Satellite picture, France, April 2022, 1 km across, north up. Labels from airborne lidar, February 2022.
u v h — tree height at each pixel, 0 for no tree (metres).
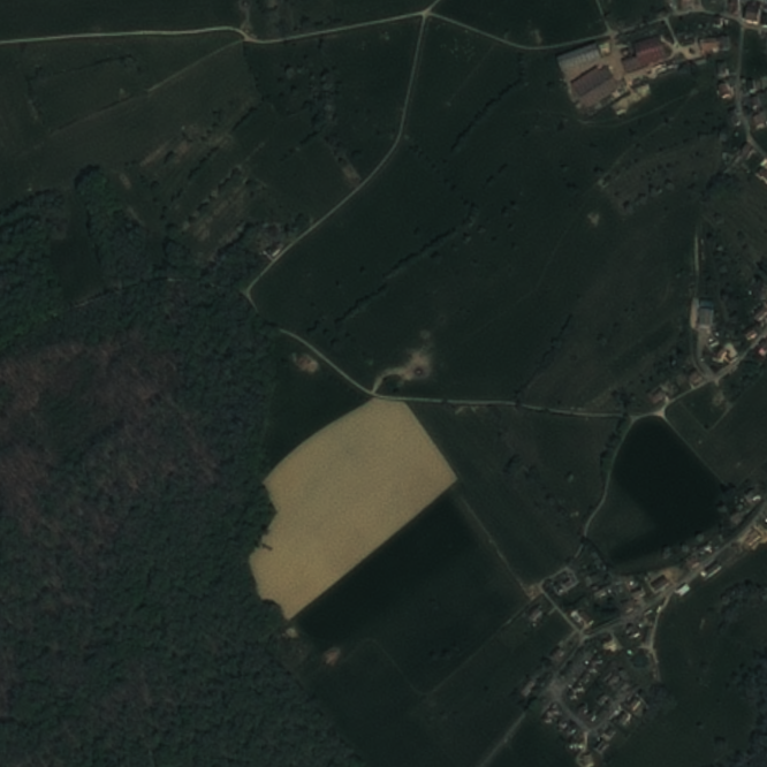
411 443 0
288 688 27
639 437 0
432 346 0
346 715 0
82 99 0
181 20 0
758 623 0
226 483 26
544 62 0
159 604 26
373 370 0
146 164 0
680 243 0
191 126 0
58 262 0
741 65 0
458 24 0
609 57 0
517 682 0
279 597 0
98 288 0
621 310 0
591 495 0
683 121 0
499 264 0
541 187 0
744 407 0
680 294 0
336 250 0
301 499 0
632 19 0
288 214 0
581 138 0
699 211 0
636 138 15
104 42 0
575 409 0
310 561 0
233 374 24
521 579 0
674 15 0
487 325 0
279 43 0
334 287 0
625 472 0
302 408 0
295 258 0
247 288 15
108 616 28
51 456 0
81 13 0
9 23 0
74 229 0
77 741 27
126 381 0
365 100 0
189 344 23
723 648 0
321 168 0
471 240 9
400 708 0
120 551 26
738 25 0
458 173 0
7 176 0
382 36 0
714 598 0
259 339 26
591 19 0
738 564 0
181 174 0
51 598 23
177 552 24
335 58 0
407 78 0
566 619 0
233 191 0
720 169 0
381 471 0
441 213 0
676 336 0
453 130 0
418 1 0
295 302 0
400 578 0
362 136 0
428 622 0
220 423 27
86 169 0
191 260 24
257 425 22
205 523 26
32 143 0
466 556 0
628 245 0
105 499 24
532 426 0
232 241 0
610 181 6
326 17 0
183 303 27
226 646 31
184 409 30
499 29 0
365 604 0
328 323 0
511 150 0
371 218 0
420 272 0
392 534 0
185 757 23
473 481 0
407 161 0
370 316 0
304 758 27
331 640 0
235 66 0
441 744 0
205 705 27
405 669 0
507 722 0
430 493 0
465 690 0
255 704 26
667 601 0
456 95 0
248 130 0
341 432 0
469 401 0
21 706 29
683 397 0
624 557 0
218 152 6
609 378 0
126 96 0
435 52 0
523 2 0
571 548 0
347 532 0
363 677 0
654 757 0
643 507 0
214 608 28
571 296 0
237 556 27
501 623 0
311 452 0
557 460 0
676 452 0
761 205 0
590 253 0
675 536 0
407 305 0
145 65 0
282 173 0
